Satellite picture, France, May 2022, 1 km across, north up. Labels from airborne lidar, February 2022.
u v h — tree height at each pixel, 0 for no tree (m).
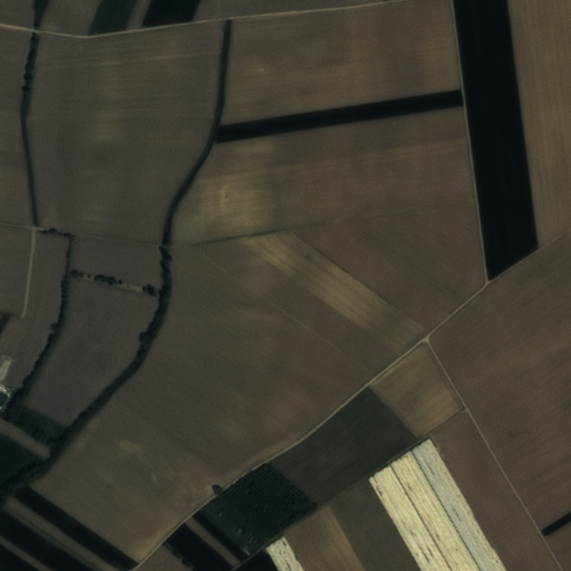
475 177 0
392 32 0
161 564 0
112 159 0
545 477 0
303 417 0
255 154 0
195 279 0
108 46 0
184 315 0
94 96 0
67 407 0
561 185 0
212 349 0
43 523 0
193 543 0
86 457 0
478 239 0
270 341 0
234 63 0
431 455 0
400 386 0
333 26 0
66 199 0
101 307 0
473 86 0
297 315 0
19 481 17
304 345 0
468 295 0
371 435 0
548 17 0
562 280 0
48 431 0
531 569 0
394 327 0
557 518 0
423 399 0
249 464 0
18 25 0
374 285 0
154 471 0
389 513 0
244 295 0
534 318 0
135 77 0
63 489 0
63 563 0
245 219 0
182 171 0
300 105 0
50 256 0
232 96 0
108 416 0
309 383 0
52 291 0
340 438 0
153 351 0
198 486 0
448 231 0
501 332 0
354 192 0
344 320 0
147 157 0
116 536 0
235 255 0
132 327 0
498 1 0
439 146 0
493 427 0
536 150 0
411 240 0
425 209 0
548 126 0
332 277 0
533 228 0
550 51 0
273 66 0
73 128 0
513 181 0
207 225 0
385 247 0
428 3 0
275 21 0
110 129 0
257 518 5
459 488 0
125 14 0
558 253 0
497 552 0
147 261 0
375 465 0
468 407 0
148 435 0
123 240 0
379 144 0
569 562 0
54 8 0
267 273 0
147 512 0
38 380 0
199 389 0
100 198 0
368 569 0
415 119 0
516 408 0
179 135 0
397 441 0
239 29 0
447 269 0
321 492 0
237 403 0
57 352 0
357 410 0
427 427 0
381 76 0
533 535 0
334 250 0
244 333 0
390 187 0
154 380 0
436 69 0
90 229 0
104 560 0
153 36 0
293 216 0
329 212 0
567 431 0
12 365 0
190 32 0
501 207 0
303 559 0
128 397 0
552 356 0
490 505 0
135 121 0
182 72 0
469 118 0
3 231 0
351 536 0
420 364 0
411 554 0
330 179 0
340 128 0
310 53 0
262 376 0
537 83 0
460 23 0
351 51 0
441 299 0
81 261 0
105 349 0
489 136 0
